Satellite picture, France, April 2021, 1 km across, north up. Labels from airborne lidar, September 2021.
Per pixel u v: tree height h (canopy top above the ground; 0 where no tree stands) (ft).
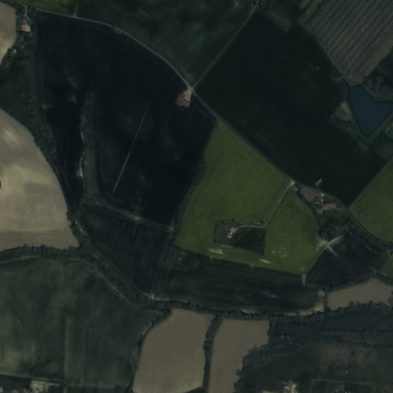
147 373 0
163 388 0
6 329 0
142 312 0
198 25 0
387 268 0
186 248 0
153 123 0
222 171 0
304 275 0
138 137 0
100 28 0
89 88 0
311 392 0
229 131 0
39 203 0
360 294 0
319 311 0
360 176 0
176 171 0
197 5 0
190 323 0
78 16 0
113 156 0
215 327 70
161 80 0
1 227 0
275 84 0
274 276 0
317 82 0
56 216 0
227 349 0
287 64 0
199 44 0
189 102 0
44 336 0
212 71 0
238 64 0
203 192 0
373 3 19
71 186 0
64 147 0
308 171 0
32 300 0
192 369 0
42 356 0
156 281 0
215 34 0
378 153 0
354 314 33
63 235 0
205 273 0
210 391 0
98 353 0
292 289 0
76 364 0
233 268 0
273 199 0
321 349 0
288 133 0
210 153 0
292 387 0
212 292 0
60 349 0
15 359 0
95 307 0
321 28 21
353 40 24
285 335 40
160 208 0
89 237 0
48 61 0
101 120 0
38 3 0
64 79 0
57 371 0
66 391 0
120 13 0
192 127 0
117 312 0
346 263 0
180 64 0
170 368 0
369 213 0
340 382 0
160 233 0
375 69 0
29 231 0
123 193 0
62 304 0
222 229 0
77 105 0
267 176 0
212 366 0
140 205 0
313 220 0
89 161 0
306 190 0
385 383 0
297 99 0
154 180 0
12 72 0
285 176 0
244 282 0
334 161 0
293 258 0
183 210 18
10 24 0
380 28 18
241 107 0
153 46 0
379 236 0
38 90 0
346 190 0
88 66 0
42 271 0
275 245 0
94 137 0
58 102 0
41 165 0
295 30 0
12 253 33
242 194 0
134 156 0
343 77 0
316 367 0
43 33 0
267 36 0
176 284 0
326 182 0
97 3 0
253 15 0
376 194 0
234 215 0
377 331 26
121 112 0
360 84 0
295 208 0
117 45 0
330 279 0
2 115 0
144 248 0
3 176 0
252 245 0
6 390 0
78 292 0
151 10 0
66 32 0
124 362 0
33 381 0
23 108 0
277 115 0
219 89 0
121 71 0
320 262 0
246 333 0
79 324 0
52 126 0
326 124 0
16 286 0
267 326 0
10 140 0
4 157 0
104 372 0
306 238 0
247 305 0
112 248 0
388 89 54
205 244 0
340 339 20
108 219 0
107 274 38
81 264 0
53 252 48
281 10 47
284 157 0
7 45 0
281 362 0
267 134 0
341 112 0
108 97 0
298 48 0
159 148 0
